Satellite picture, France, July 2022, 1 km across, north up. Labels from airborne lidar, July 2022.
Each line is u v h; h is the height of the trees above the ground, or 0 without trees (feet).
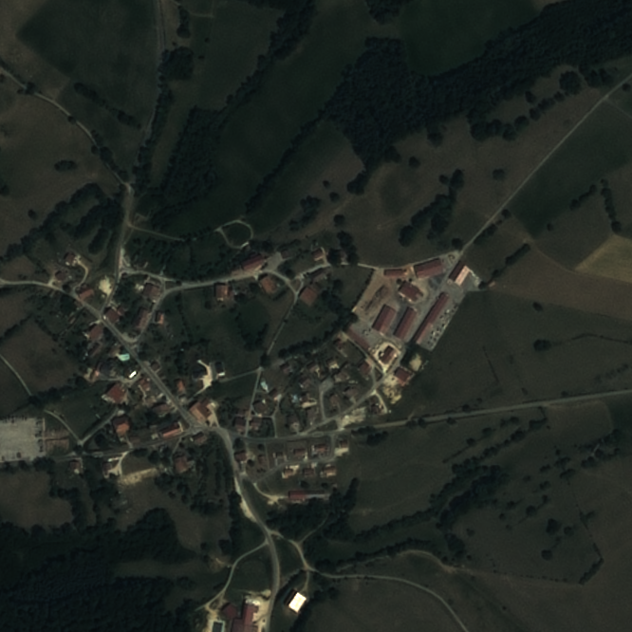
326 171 0
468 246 0
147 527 48
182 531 0
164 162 0
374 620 0
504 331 0
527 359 0
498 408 0
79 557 92
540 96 0
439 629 0
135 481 0
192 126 59
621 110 0
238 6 0
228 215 0
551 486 24
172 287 0
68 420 0
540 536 0
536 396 0
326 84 0
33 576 53
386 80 78
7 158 0
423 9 0
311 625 0
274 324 0
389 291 0
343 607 0
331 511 49
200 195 46
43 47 0
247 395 0
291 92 0
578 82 38
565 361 0
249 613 0
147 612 86
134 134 0
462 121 0
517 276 0
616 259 0
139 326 0
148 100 0
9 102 0
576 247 0
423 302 0
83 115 0
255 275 0
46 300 31
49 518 0
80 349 56
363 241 0
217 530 0
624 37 48
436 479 0
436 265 0
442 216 70
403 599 0
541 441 0
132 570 0
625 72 0
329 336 46
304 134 47
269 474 0
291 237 0
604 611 0
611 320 0
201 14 0
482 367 0
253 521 0
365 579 19
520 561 0
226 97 0
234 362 0
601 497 0
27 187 0
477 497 75
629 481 0
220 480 22
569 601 0
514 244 0
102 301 0
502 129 67
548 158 0
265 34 0
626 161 0
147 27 0
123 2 0
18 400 0
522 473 0
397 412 0
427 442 0
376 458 0
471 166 0
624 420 0
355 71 71
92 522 0
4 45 0
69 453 0
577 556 0
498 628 0
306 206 46
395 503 0
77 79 0
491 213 0
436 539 0
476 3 0
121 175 55
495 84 48
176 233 0
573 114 0
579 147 0
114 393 0
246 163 0
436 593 0
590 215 0
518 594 0
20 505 0
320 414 0
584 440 0
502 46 69
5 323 0
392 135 78
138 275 0
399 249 0
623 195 0
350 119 74
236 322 22
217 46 0
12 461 0
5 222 0
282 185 0
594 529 0
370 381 0
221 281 0
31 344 0
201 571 0
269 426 19
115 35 0
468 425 0
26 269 0
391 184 0
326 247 0
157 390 0
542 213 0
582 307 0
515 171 0
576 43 32
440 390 0
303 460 0
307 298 0
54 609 118
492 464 0
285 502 0
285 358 55
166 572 0
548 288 0
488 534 0
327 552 0
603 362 0
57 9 0
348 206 0
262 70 27
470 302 0
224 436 0
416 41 0
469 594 0
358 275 0
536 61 38
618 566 0
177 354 17
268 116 0
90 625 97
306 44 0
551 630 0
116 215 77
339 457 0
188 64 65
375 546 0
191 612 55
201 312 0
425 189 0
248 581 0
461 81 61
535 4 0
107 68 0
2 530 84
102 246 56
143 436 0
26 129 0
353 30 0
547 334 0
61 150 0
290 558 0
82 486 0
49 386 0
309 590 0
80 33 0
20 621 100
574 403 0
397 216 0
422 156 0
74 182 0
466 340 0
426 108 80
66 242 0
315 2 24
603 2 36
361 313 0
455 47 0
